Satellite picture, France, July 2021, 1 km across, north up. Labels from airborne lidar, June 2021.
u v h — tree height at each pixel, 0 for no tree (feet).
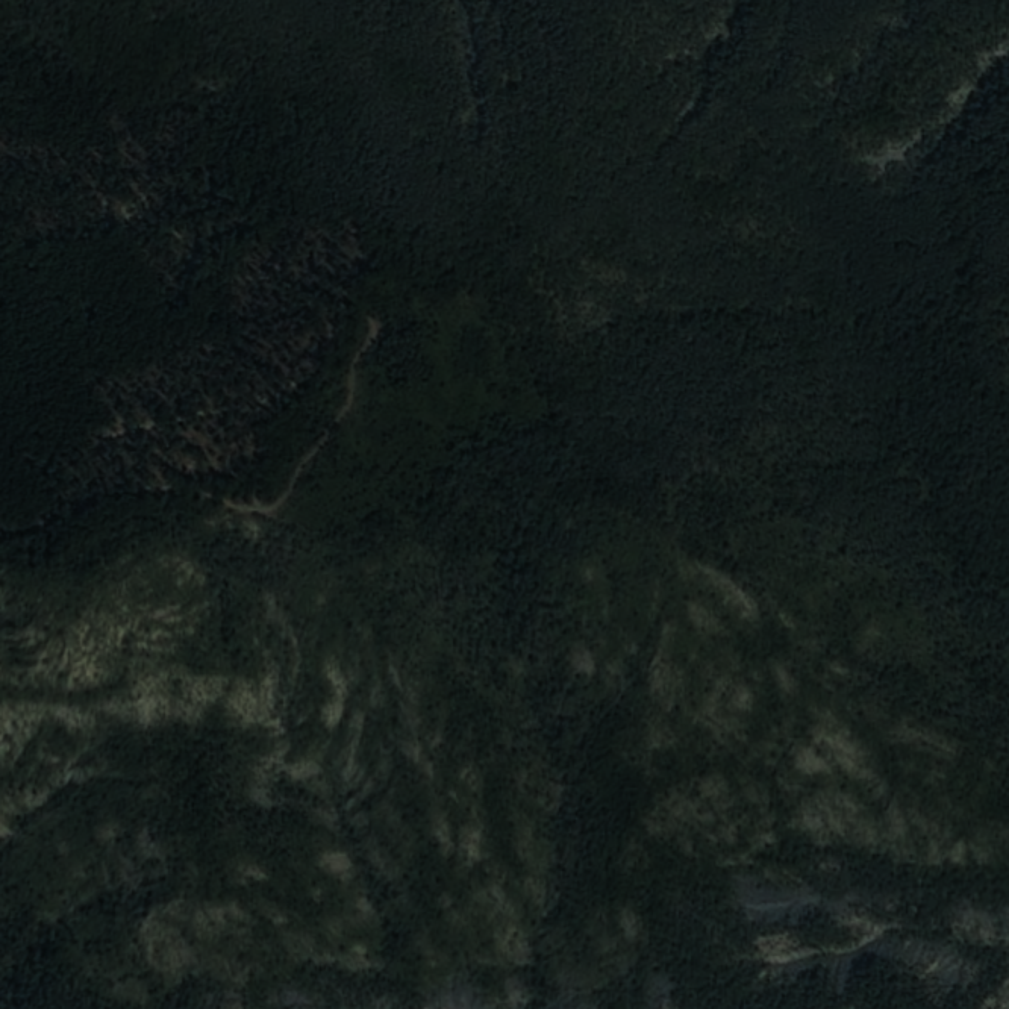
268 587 32
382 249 61
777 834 27
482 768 27
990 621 49
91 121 59
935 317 32
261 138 70
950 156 57
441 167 46
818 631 27
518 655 49
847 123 27
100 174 84
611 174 40
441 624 34
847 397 42
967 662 47
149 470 71
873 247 65
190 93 50
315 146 49
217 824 22
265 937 25
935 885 39
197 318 102
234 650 23
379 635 19
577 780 19
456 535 32
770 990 22
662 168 41
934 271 45
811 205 47
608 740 23
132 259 101
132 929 22
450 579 52
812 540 38
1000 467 38
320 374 43
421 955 21
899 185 24
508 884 22
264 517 30
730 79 35
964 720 37
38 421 95
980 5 41
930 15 33
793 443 46
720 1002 30
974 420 29
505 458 45
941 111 22
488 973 30
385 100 48
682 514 24
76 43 63
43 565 37
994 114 59
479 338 28
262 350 84
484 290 26
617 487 32
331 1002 27
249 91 57
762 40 36
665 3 31
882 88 31
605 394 49
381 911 44
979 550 34
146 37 69
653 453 49
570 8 32
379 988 44
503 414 24
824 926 25
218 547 44
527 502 40
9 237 90
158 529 34
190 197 84
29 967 24
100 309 74
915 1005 36
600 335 27
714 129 34
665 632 0
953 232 48
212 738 42
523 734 29
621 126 43
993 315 26
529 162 45
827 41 39
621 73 50
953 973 0
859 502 50
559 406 33
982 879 31
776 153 39
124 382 93
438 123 48
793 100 31
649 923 20
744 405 47
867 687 23
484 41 27
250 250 60
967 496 35
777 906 0
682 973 29
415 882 27
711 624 0
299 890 20
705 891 33
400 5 50
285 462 25
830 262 53
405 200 39
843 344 40
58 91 93
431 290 52
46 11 57
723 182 27
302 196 54
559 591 18
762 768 21
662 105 31
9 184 82
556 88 50
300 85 49
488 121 34
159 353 89
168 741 19
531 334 25
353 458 19
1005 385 33
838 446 45
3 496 95
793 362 42
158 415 85
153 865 28
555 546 23
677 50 18
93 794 21
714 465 47
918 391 43
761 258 20
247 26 39
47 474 89
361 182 33
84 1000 65
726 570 24
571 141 42
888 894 34
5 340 83
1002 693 37
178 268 103
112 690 25
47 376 85
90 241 92
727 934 28
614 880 19
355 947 0
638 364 41
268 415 67
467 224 44
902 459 43
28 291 69
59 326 75
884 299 54
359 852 36
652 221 50
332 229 48
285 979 18
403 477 23
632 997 31
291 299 88
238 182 72
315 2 48
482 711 30
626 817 21
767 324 51
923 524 50
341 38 45
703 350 48
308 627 19
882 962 21
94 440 86
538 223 49
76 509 85
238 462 69
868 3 36
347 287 73
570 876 28
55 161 78
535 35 42
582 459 42
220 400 90
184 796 26
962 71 24
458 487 46
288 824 31
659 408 43
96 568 24
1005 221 44
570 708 42
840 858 42
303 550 31
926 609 37
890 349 61
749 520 28
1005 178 57
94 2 61
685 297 27
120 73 72
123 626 0
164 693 0
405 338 49
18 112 65
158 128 66
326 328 69
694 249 39
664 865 22
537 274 31
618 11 36
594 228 37
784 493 33
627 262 23
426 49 47
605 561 19
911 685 34
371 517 29
